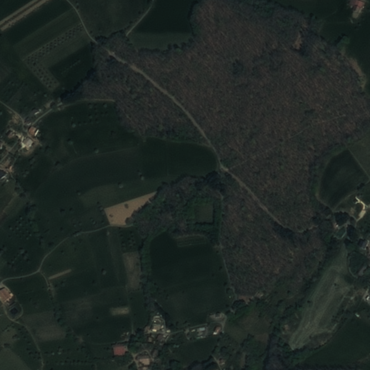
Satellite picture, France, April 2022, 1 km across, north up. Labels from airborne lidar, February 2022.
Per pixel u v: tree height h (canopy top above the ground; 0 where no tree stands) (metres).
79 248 0
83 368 0
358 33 0
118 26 0
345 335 0
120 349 0
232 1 31
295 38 31
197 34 24
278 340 30
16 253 0
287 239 26
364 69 0
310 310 0
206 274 0
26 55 0
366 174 0
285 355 25
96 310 0
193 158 0
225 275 0
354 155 0
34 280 0
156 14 0
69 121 0
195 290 0
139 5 0
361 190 23
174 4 0
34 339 0
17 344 0
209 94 18
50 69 0
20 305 0
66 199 0
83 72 0
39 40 0
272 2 23
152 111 24
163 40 0
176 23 0
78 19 0
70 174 0
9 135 0
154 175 0
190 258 0
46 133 0
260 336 0
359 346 0
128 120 25
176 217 19
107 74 23
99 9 0
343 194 0
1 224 0
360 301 0
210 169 0
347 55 0
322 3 0
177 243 0
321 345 27
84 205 0
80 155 0
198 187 23
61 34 0
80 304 0
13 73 0
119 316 0
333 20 0
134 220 17
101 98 24
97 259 0
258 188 17
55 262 0
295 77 18
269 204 21
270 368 33
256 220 13
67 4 0
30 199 0
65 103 24
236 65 15
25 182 0
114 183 0
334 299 0
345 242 0
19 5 0
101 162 0
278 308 16
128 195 0
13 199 0
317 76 24
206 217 0
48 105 0
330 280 0
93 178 0
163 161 0
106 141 0
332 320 0
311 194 24
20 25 0
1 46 0
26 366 0
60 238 0
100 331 0
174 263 0
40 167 0
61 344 0
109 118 0
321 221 14
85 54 0
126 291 0
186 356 0
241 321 0
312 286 14
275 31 28
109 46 20
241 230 14
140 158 0
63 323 16
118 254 0
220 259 0
